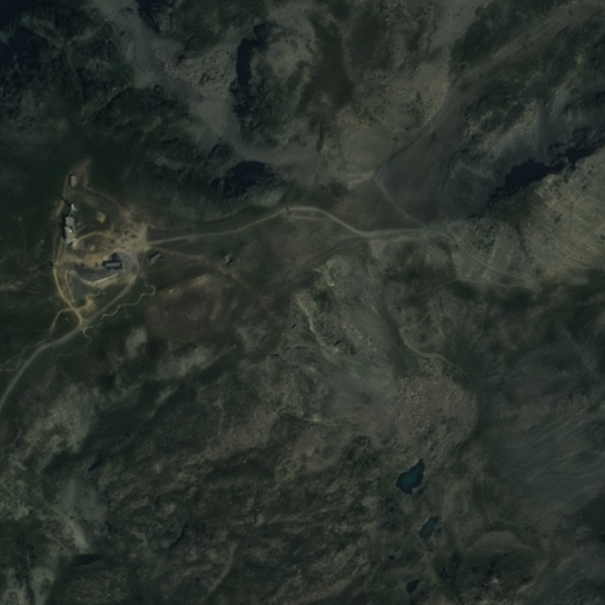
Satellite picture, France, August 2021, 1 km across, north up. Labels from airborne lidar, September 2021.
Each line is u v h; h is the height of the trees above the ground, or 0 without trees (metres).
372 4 0
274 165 0
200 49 0
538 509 0
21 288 0
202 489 0
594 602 0
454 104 0
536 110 0
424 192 0
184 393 0
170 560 0
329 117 0
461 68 0
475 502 0
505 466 0
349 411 0
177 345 0
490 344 0
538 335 0
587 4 0
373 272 0
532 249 0
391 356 0
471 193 0
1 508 0
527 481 0
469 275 0
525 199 0
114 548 0
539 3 0
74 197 0
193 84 0
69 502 0
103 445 0
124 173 0
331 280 0
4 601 0
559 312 0
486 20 0
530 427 0
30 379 0
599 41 0
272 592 0
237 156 0
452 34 0
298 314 0
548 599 0
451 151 0
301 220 0
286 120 0
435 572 0
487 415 0
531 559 0
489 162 0
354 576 0
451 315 0
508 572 0
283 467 0
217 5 0
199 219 0
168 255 0
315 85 0
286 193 0
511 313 0
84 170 0
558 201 0
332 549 0
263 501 0
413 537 0
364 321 0
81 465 0
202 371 0
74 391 0
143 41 0
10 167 0
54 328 0
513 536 0
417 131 0
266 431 0
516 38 0
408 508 0
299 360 0
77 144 0
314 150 0
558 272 0
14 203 0
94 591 0
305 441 0
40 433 0
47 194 0
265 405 0
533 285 0
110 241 0
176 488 0
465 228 0
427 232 0
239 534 0
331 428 0
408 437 0
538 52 0
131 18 0
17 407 0
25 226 0
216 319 0
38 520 0
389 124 0
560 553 0
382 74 0
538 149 0
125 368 0
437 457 0
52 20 7
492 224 0
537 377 0
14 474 0
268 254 0
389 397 0
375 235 0
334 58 0
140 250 0
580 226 0
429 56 0
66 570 0
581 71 0
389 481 0
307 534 0
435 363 0
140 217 0
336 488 0
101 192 0
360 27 0
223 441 0
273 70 0
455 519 0
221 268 0
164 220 0
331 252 0
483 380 0
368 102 0
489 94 0
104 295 0
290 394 0
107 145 0
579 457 0
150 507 0
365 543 0
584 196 0
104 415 0
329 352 0
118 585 0
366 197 0
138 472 0
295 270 0
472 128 0
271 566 0
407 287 0
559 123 0
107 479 0
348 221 0
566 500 0
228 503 0
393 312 0
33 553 6
